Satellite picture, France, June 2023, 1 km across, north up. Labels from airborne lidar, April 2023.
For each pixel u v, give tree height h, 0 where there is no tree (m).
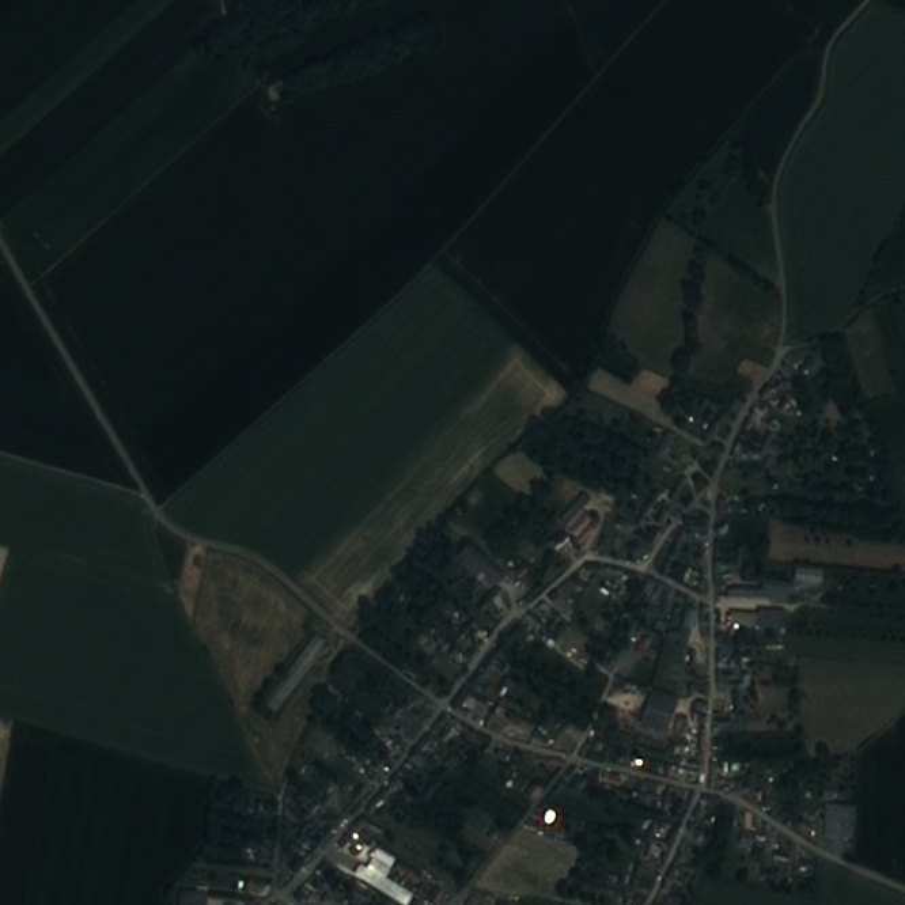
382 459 0
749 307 0
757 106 0
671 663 0
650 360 0
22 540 0
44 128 0
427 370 0
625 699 0
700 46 0
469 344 0
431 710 0
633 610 12
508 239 0
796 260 0
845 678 0
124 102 0
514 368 0
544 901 0
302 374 0
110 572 0
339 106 0
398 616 15
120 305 0
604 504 0
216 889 0
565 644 0
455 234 0
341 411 0
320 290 0
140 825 0
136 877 0
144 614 0
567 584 0
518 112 0
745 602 0
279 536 0
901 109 0
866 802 0
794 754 8
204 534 0
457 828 10
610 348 23
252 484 0
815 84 0
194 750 0
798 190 0
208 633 0
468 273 0
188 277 0
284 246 0
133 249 0
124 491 0
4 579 0
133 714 0
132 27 0
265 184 0
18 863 0
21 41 0
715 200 16
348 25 0
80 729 0
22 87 0
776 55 0
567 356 0
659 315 0
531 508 10
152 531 0
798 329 0
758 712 0
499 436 0
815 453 11
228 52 21
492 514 0
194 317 0
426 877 0
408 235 0
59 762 0
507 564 0
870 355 0
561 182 0
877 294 0
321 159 0
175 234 0
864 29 0
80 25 0
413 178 0
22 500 0
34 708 0
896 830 0
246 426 0
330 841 0
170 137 0
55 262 0
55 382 0
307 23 19
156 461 0
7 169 0
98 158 0
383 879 0
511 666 9
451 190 0
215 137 0
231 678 0
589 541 0
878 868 0
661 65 0
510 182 0
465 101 0
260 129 0
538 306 0
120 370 0
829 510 18
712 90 0
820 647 0
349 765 0
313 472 0
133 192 0
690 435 0
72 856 0
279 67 0
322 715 14
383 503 0
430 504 0
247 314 0
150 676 0
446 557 20
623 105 0
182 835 0
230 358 0
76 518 0
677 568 7
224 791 17
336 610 0
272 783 0
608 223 0
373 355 0
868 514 23
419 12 0
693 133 0
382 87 0
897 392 0
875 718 0
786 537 0
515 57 0
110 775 0
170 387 0
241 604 0
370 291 0
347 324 0
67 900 0
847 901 0
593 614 0
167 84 0
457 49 0
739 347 0
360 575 0
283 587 0
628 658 0
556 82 0
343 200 0
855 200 0
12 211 0
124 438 0
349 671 0
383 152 0
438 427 0
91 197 0
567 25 0
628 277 0
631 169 0
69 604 0
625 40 0
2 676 0
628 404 0
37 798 0
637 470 14
